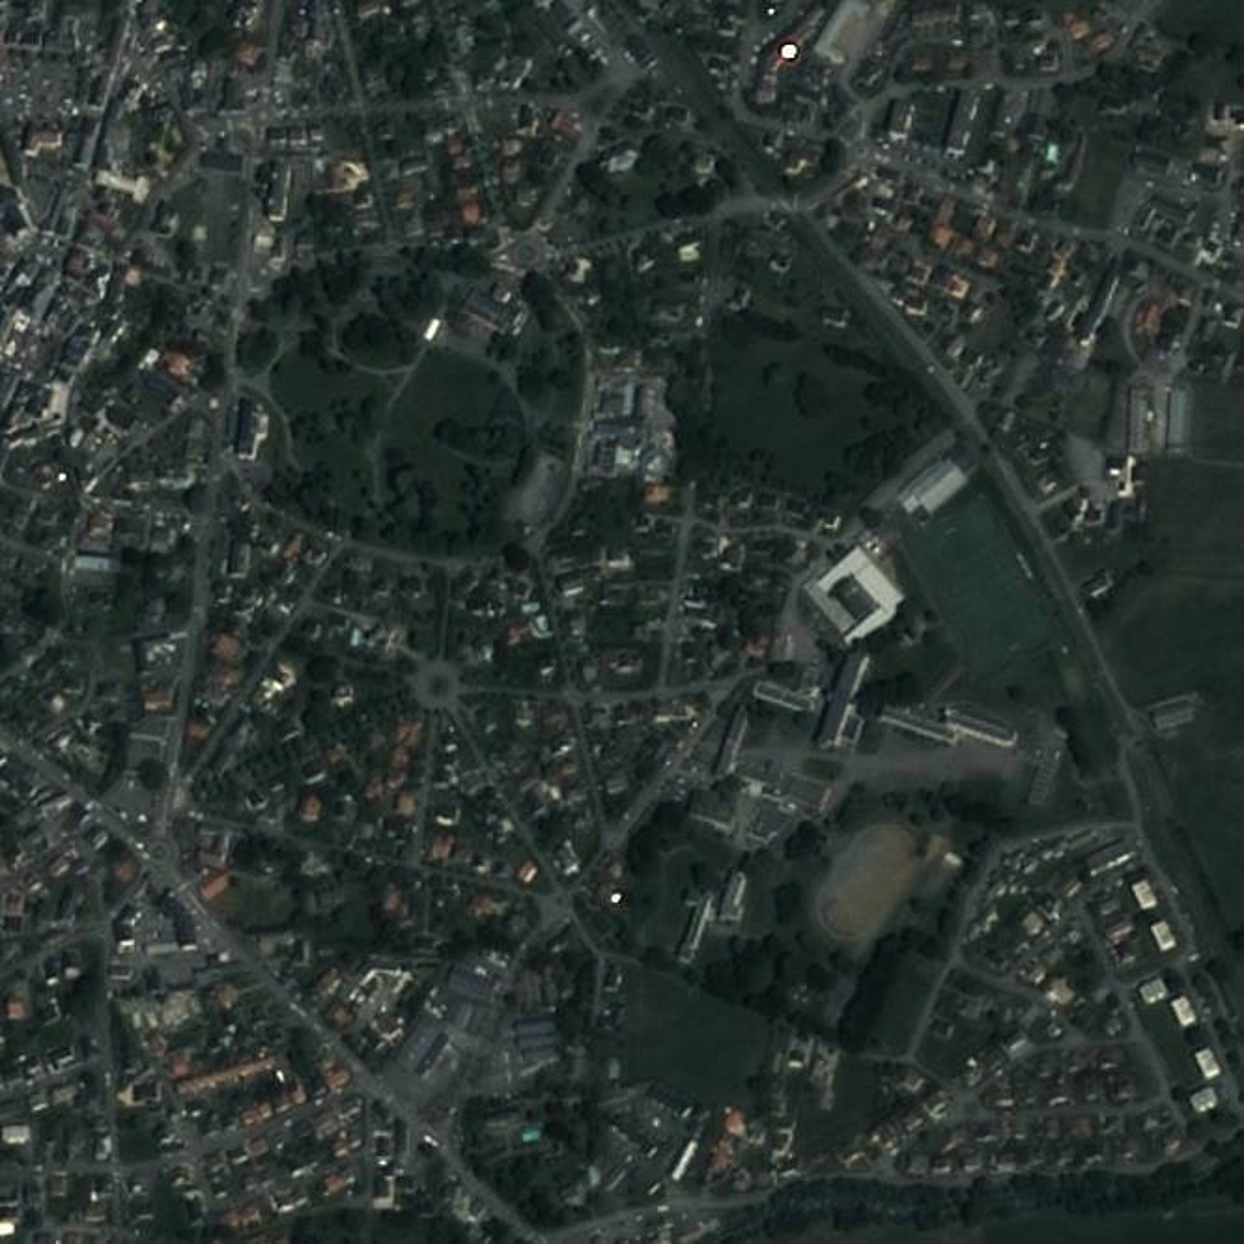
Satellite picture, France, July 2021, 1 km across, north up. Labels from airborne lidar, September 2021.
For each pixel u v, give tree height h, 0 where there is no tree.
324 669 20
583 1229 0
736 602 12
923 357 0
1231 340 0
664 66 0
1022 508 0
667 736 6
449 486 0
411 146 0
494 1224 23
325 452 0
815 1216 7
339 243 7
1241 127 0
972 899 0
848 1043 22
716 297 0
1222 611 0
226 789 9
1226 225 0
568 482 0
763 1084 15
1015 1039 0
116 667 0
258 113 0
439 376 0
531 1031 0
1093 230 0
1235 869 0
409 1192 6
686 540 0
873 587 0
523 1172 20
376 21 6
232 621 8
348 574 12
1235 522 0
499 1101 10
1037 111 0
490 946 14
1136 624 0
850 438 0
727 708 10
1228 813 0
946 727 0
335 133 0
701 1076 0
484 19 12
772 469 17
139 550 15
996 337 0
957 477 0
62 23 0
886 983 19
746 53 0
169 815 0
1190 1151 0
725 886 9
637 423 0
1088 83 11
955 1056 0
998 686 0
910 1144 0
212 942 0
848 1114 0
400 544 27
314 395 0
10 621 0
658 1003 0
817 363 0
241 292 0
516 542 0
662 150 21
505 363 12
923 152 0
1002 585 0
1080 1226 0
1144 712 0
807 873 0
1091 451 0
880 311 0
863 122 0
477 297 0
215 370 9
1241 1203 9
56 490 0
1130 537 0
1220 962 14
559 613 7
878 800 0
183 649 0
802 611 0
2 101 0
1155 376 0
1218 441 0
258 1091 5
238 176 0
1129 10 0
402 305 19
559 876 7
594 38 0
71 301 0
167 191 0
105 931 0
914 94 7
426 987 7
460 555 30
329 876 6
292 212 0
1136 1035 0
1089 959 14
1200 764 0
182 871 0
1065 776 0
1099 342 8
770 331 25
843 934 0
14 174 9
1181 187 0
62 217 0
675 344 6
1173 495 0
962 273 0
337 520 25
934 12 0
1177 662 0
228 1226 9
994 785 0
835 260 0
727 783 12
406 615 8
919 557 0
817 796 0
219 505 7
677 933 0
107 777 7
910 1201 17
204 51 10
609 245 8
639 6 5
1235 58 16
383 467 0
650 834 19
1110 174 0
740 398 0
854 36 0
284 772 7
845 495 18
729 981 25
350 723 9
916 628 11
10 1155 9
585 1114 16
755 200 0
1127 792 0
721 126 0
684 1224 0
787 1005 23
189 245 19
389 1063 0
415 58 7
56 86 0
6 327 0
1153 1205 17
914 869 0
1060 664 0
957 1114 0
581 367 9
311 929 13
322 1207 0
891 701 19
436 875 6
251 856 12
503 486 23
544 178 12
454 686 0
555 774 14
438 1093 0
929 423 18
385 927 14
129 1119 6
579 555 5
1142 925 13
